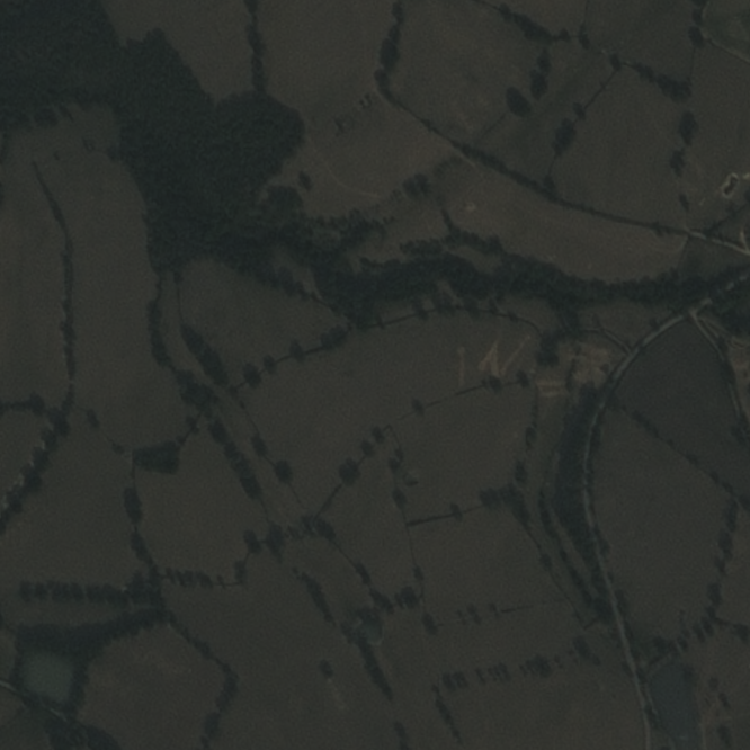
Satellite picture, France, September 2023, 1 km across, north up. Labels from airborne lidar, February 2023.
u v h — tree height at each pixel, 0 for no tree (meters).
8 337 0
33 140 0
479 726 0
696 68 0
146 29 0
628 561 0
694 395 0
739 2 0
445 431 0
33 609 0
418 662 0
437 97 0
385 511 0
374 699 0
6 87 22
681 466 0
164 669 0
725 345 10
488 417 0
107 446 0
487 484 0
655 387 0
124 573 0
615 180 0
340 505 0
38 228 0
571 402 0
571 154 0
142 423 0
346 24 0
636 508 0
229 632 0
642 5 0
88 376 0
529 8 0
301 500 0
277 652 0
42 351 0
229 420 0
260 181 15
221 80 0
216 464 0
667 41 0
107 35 12
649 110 0
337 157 0
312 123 0
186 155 16
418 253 7
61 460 0
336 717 0
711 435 0
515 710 0
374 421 0
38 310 0
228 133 12
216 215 13
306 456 0
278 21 0
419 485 0
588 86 0
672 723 0
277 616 0
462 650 0
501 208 0
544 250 0
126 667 0
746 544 0
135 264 0
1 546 0
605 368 0
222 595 0
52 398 0
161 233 14
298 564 0
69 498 0
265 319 0
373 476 0
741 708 0
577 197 0
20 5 11
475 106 0
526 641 0
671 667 0
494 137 0
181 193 14
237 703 0
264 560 0
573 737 0
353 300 25
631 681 0
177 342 0
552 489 0
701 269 0
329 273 23
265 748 0
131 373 0
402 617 0
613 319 0
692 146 0
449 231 12
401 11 12
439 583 0
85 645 23
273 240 19
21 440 0
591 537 14
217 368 21
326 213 0
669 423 0
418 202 0
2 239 0
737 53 0
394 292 14
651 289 15
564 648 0
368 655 14
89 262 0
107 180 0
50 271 0
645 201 0
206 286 0
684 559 0
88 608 0
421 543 0
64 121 0
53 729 17
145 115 7
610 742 0
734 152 0
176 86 9
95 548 0
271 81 0
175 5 0
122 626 14
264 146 7
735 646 0
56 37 10
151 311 13
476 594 0
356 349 0
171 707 0
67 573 0
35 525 0
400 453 6
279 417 0
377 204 0
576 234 0
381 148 0
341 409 0
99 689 0
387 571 0
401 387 0
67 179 0
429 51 0
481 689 0
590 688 0
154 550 0
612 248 0
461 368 0
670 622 0
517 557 0
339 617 0
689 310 0
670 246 0
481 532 0
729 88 0
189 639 11
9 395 0
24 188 0
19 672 10
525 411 0
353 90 0
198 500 0
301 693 0
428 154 0
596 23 0
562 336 19
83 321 0
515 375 0
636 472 0
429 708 0
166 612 14
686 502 0
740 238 0
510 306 0
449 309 19
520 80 0
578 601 0
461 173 0
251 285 0
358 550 0
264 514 0
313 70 0
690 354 0
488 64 0
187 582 12
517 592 0
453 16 0
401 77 0
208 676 0
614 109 0
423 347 0
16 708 0
